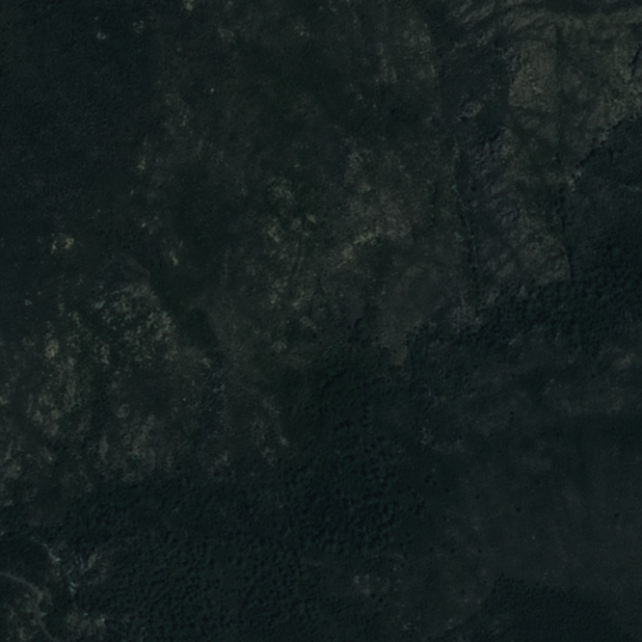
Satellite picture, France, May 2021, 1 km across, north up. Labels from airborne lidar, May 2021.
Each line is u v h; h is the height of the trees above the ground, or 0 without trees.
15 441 6
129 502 8
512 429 6
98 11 7
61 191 7
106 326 6
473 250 13
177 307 9
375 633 9
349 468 6
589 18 0
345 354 7
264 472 8
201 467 7
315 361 6
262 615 9
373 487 7
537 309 11
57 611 14
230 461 13
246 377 7
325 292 6
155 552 19
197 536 7
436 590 9
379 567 7
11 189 6
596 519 0
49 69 8
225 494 17
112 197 7
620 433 6
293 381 13
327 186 6
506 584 12
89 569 10
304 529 9
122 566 16
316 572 6
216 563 18
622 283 10
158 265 8
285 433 6
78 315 9
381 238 6
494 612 11
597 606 10
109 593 14
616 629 6
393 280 0
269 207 5
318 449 23
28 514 8
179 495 10
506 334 8
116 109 7
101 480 6
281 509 5
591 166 17
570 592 9
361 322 18
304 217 8
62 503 6
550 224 6
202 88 6
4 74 6
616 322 7
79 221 6
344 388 24
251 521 8
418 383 9
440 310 7
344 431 8
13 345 0
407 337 6
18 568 6
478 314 14
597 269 14
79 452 9
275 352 7
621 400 0
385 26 0
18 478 6
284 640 13
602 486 0
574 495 0
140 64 6
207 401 7
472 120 19
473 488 0
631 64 15
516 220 10
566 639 9
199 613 15
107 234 8
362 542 11
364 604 10
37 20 13
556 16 0
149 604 8
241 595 15
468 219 25
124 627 14
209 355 6
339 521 10
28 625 9
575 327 21
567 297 14
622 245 10
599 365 6
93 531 6
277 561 14
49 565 8
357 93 7
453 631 11
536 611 9
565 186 13
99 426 6
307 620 17
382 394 9
